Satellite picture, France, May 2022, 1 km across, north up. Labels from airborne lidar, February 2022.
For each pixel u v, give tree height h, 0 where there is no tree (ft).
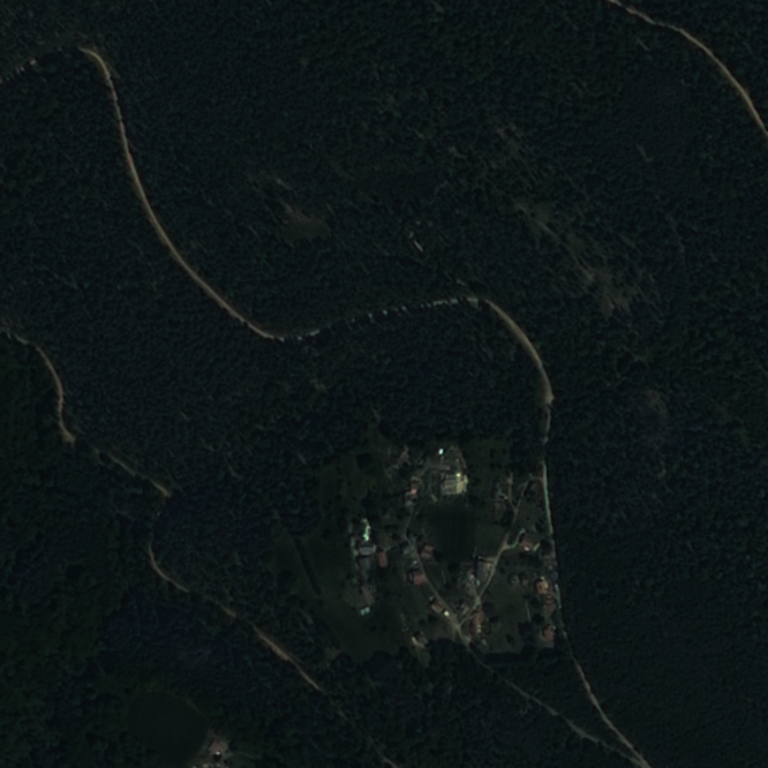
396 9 83
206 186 65
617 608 38
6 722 40
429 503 0
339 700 73
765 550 81
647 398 72
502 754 20
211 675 70
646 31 83
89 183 77
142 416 93
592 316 27
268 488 102
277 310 76
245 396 84
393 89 50
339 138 77
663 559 59
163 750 0
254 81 75
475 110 84
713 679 50
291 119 76
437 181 25
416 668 54
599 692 46
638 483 84
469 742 59
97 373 104
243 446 95
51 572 78
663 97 64
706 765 48
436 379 95
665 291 73
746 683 66
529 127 91
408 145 70
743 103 44
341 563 0
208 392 76
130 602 114
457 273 28
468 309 82
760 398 31
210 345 80
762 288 76
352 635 0
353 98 68
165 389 86
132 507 93
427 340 81
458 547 0
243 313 64
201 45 87
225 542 85
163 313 99
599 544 46
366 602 0
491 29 102
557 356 52
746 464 28
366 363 89
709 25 68
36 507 75
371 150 83
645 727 49
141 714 0
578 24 76
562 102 44
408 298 82
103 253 98
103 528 73
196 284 74
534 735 40
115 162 87
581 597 47
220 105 79
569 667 55
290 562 0
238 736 45
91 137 88
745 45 77
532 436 89
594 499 94
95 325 89
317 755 116
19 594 97
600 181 81
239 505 88
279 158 80
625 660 40
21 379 62
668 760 51
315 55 49
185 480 102
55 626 101
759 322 26
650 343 71
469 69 68
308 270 89
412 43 90
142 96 77
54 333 78
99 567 75
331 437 79
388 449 0
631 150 69
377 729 47
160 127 90
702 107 69
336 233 94
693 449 91
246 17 79
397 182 39
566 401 56
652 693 45
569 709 48
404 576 0
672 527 56
